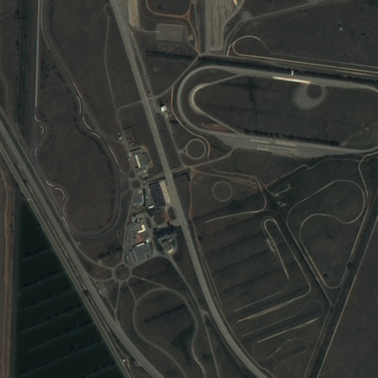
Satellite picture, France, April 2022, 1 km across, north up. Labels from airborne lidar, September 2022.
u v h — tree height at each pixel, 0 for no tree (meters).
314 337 0
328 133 0
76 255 0
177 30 0
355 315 0
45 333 0
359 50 0
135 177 0
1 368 0
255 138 0
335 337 0
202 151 0
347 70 0
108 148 0
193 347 0
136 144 0
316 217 0
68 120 0
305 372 0
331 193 0
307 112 0
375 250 0
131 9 0
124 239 0
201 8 0
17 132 0
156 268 0
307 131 0
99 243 0
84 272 0
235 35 0
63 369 0
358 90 0
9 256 0
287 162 0
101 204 0
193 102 0
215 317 0
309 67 0
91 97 0
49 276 11
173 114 0
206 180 0
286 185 0
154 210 10
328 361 0
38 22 0
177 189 0
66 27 0
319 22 0
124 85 0
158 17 0
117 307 0
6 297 0
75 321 0
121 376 0
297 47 0
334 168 0
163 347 0
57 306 0
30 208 0
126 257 0
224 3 0
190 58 7
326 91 0
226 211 0
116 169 0
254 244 0
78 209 0
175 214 0
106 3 0
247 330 0
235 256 0
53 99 0
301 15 0
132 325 0
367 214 0
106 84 0
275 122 0
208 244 0
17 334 0
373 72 0
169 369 0
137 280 0
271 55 0
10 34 0
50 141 0
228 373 0
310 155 0
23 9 0
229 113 0
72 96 0
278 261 0
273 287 0
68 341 0
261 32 0
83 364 0
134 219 0
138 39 0
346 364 0
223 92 0
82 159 0
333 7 0
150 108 0
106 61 0
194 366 0
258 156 0
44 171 0
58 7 0
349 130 0
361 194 0
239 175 0
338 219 0
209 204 0
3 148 0
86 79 0
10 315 0
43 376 0
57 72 0
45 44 0
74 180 0
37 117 0
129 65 0
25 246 0
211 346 0
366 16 0
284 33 0
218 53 0
